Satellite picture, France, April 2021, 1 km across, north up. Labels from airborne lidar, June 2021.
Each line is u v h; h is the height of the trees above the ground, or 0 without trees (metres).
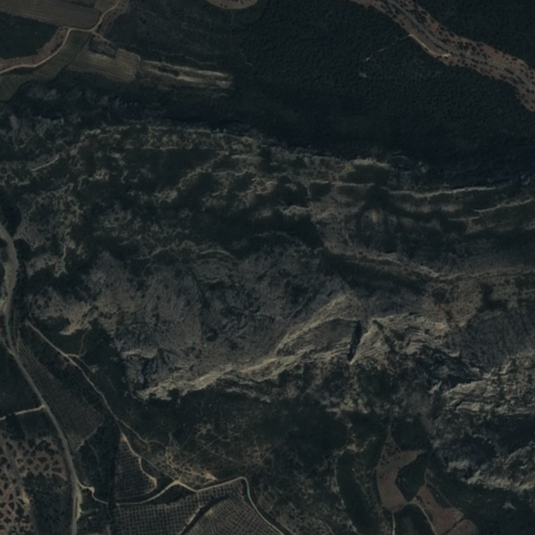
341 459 0
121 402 0
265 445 0
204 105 6
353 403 0
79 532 0
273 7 8
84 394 6
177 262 0
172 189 0
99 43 0
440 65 7
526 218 0
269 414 0
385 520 0
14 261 0
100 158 0
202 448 0
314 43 8
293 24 6
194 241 0
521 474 0
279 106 0
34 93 0
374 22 6
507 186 0
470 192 0
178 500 8
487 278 0
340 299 0
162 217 0
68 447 0
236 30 8
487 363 0
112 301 0
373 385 0
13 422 7
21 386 0
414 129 6
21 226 0
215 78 0
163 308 0
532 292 0
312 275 0
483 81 7
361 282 0
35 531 0
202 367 0
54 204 0
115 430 6
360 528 0
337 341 0
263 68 9
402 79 8
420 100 7
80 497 0
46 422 0
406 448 6
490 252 0
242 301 0
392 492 0
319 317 0
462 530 0
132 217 0
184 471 0
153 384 0
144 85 6
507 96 6
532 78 5
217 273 0
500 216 0
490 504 0
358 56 8
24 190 0
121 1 0
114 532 7
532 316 0
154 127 0
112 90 6
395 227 0
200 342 0
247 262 0
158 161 0
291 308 0
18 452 0
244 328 0
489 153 6
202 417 0
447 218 0
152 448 0
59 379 6
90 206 0
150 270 0
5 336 7
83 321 0
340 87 10
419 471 0
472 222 0
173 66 0
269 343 0
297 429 0
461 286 0
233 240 0
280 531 0
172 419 0
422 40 0
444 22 6
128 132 0
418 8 6
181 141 0
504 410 0
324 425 0
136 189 0
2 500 0
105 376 0
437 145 6
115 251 0
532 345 0
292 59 7
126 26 0
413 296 0
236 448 0
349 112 6
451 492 0
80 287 0
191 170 0
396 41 7
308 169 0
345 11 8
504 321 0
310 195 0
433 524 0
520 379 0
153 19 0
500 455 0
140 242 0
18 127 0
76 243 0
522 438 0
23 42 0
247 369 0
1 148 0
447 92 8
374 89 8
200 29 0
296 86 7
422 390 0
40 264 0
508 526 0
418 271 0
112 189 0
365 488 0
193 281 0
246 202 0
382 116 6
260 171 0
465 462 0
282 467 0
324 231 0
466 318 0
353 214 0
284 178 0
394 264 0
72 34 0
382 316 0
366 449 0
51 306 0
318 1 6
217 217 0
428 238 0
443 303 0
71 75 6
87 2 0
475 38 8
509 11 6
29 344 8
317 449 0
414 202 0
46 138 0
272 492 0
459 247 0
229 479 0
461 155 6
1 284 0
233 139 0
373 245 0
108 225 0
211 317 0
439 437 0
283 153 0
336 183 0
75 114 0
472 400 0
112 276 0
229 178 0
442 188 0
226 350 0
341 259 0
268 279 0
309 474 0
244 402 0
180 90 6
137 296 0
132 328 0
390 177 0
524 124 8
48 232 0
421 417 0
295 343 0
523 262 0
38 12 0
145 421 0
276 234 0
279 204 0
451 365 0
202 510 7
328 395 0
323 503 0
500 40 5
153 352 0
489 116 9
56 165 0
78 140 0
